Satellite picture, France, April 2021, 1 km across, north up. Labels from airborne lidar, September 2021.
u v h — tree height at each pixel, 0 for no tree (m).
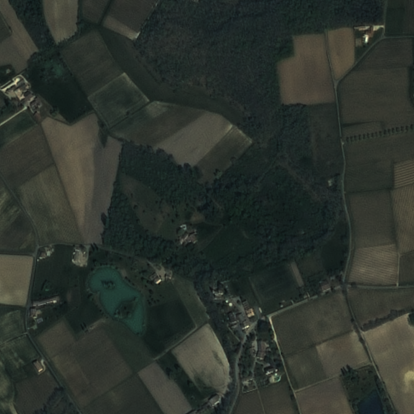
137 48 7
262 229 9
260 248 9
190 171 23
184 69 14
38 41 10
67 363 0
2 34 0
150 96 0
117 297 0
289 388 7
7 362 0
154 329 0
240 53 16
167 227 0
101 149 0
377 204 0
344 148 0
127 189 0
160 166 11
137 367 0
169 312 0
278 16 20
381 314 0
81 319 0
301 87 0
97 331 0
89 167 0
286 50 14
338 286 0
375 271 0
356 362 0
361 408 0
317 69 0
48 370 0
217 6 9
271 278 0
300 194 17
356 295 0
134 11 0
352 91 0
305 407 0
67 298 0
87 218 0
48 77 10
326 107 0
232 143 0
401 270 0
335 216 16
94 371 0
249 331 0
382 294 0
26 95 0
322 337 0
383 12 12
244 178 8
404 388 0
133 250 13
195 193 18
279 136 12
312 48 0
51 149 0
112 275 0
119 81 0
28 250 0
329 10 21
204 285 13
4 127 0
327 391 0
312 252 7
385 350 0
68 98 0
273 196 10
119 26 0
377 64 0
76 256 0
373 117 0
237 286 0
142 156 11
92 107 0
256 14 14
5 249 0
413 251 0
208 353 0
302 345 0
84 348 0
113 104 0
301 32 17
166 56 8
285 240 8
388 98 0
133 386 0
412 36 0
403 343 0
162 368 0
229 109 0
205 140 0
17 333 0
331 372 0
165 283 0
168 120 0
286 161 13
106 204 0
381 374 0
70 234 0
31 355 0
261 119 12
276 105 17
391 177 0
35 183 0
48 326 0
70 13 0
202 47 16
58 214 0
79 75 0
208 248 0
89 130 0
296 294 0
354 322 14
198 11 16
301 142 20
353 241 0
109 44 0
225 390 0
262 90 19
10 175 0
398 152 0
